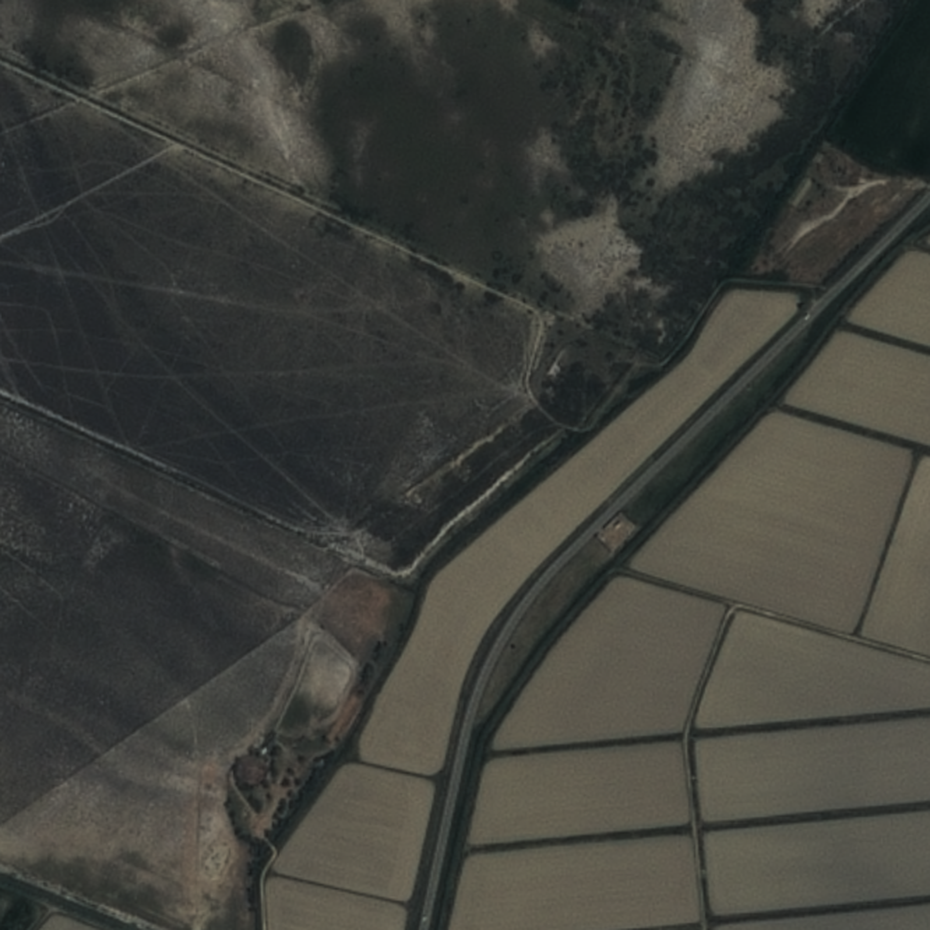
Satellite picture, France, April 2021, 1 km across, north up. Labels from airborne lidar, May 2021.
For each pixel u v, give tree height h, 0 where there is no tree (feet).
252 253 0
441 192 0
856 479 0
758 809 0
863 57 0
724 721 0
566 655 0
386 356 0
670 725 0
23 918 0
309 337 0
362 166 0
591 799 0
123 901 0
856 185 0
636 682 0
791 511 0
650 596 0
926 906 0
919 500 0
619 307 0
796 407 0
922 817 0
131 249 0
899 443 0
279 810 19
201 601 0
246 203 0
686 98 0
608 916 0
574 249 0
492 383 0
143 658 0
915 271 0
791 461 0
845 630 0
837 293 0
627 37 0
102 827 0
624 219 0
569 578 0
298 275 0
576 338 0
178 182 0
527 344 0
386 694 0
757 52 0
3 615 0
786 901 0
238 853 0
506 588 0
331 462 0
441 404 0
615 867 0
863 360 0
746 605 0
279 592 0
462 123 0
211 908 0
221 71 0
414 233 0
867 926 0
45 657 0
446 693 0
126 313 0
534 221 0
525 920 0
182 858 0
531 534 0
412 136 0
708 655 0
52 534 0
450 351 0
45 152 0
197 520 0
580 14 0
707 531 0
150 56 0
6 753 0
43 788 0
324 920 0
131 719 0
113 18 0
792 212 0
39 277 0
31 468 0
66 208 0
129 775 0
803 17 0
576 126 0
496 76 0
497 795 0
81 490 0
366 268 0
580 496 0
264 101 0
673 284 0
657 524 0
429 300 0
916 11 0
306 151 0
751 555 0
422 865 0
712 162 0
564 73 0
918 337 0
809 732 0
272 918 0
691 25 0
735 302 0
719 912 0
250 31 0
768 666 0
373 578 0
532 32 0
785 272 0
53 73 0
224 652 0
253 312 0
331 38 0
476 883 0
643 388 0
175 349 0
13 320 0
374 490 0
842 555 0
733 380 0
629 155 0
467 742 0
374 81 0
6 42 0
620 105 0
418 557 0
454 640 0
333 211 0
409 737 0
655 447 0
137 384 0
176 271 0
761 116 0
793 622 0
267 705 0
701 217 0
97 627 0
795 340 0
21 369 0
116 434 0
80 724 0
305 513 0
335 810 0
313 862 0
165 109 0
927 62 0
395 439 0
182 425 0
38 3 0
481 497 0
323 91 0
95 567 0
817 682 0
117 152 0
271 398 0
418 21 0
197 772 0
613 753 0
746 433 0
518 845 0
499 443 0
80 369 0
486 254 0
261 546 0
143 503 0
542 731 0
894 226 0
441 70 0
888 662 0
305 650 0
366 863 0
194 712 0
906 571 0
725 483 0
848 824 0
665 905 0
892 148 0
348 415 0
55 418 0
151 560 0
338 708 0
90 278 0
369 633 0
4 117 0
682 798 0
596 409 0
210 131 0
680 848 0
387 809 0
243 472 0
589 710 0
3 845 0
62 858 0
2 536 0
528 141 0
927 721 0
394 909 0
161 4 0
